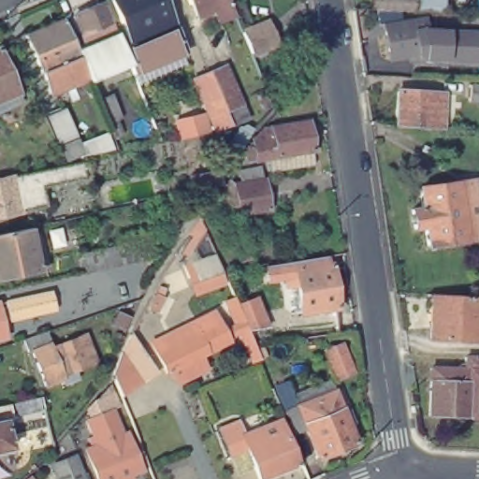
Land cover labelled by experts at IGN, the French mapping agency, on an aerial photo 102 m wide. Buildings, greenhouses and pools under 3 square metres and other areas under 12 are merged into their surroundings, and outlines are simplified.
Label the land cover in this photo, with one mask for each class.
<instances>
[{"label":"building","instance_id":"1","mask_svg":"<svg viewBox=\"0 0 479 479\"><path fill-rule=\"evenodd\" d=\"M62 21L54 22L34 34H28L24 39L36 60L39 75L43 80L47 84V94L69 99L71 90H79L80 86L88 84L92 80L97 82L107 80L120 75L123 71H131L137 82V92L138 97H144L142 84L165 77L178 69L193 71V47L185 45L186 36L171 0H64ZM183 11L193 32L202 26L210 19L225 22H239L234 0H185ZM374 6L376 11H380V24H385L389 32V62H410L415 67H479V30L430 28V17L434 13L440 15L447 7L445 0H376ZM243 41L249 52L256 58H264L279 49V36L271 21L254 24L245 28L243 32ZM26 107L21 75L0 43V118L7 116L9 110ZM200 99L204 114L183 120L180 118L174 123L180 131L181 138L200 137L208 135L219 129L234 127L237 130L229 148L232 152L245 153V159L238 176H226L230 181L228 204L232 208L251 206L254 215L273 213L275 204L271 185L279 187L284 180H288L284 170L314 165V150L318 148L316 125L314 122L284 123L266 129L264 118L254 122V109L247 110L245 107L236 80L228 67H221L215 73H208L195 79ZM473 105H479V84H473V97L470 101ZM397 123L406 129H436V133L440 135L455 118L451 116L449 88H447L443 92L404 88L397 94L395 114ZM114 129L127 131L131 127L129 123L122 122V110L116 97H109L105 103ZM56 137L64 142L67 159L97 155L114 150V142L110 135H105L86 142L80 140L71 114L65 110L51 116ZM86 176V167H67L30 176L0 178V223L32 213V208L47 204L49 200L45 195V187L49 183ZM423 206L417 210H410V225L415 232L425 234L428 249L443 251L466 245L479 243V180L473 178L432 185L423 187L421 193ZM206 234V225L202 219H193L185 223L170 254L198 258L195 264H185L189 271L187 290L193 298L210 294L219 288H226L230 292V299L223 301V305L215 311L208 312L200 318L193 314L159 331L152 342L153 352L159 357L165 374L170 378H176L183 385L193 382L196 378H202L213 376L208 359L217 356L228 346L234 350L236 356L245 357L249 354L253 363L264 361L268 354L266 348H260L254 341V331H279L275 327V322L268 320L266 311L262 299H239L234 284L226 279L225 271L217 256L200 258L196 253L200 241ZM54 271L52 264H45L36 228L0 236V284L47 275ZM52 249H64V232H51ZM142 241H127L105 251L84 253L77 262L79 266L86 268V273L118 268L127 262L144 264V260L142 254L138 253ZM266 284L281 286L286 284L294 290L292 303L296 314L303 312L309 324L327 322L329 312L339 314V307L344 303V284L341 269L327 256L271 266L264 275V281ZM170 294L168 284L167 288L157 290V301L161 305L167 301ZM58 311L56 296L52 292H47L28 298L0 301V342L9 341L11 337L7 327L9 324L37 316H47ZM423 298L427 301L428 314H432V341L477 342L479 346V298L466 296L427 294ZM133 316L123 312H114L110 329H122L127 333ZM22 350L26 352V356L34 357L37 380L47 389L58 385L77 384L80 382L82 370L94 369L97 365V354L88 335H82L75 341L64 344H52L51 339L49 333H43L34 339H26L22 342ZM157 367L144 352L137 337H127L118 357L112 370L114 385L101 399L95 400L88 408V414L86 428L90 432V447L84 451V455L94 472L95 479H155L152 466L144 464L142 458L148 451L144 434L138 430L135 421L138 417L129 397L142 382H152ZM333 348H329L327 352L331 367L329 372L339 376L342 382H344L356 376V367L348 354L350 341L335 339L331 342ZM458 359L464 361L462 367L434 365L432 369H428L427 410L428 419H436L438 423L442 419H455L473 421V427L479 425V357L462 354ZM277 393L275 399L281 402L283 417L279 421L269 423L266 427L247 432L241 425V419L239 414H228L217 419L213 424V434L221 447V453L230 464L234 458L241 457V453L249 455L256 479H284V472L296 470L303 464L301 449L296 442L299 432L309 436L312 455L326 468L331 458L344 457L352 451L361 449V438L354 417L350 414V408L339 391V385H333L331 380H327L318 389L307 387L299 393L294 391L290 382L284 380L273 389ZM47 412L45 399H30L0 406V460H4L6 464L13 455L21 457L19 440L22 436L13 425L19 423L26 414ZM51 473L47 479H88L80 466L79 458H67L49 466Z\"/></svg>","mask_w":479,"mask_h":479},{"label":"herbaceous vegetation","instance_id":"2","mask_svg":"<svg viewBox=\"0 0 479 479\"><path fill-rule=\"evenodd\" d=\"M64 0H37L36 6L28 7L21 13V21L28 34H34L54 22L62 21ZM239 22H225V34L223 39L228 41L230 47V54L226 58L228 67L236 80L245 107L247 110L254 109V122L264 118L266 129L284 123L314 122L316 125L318 148L314 150V165L284 170L288 180H284L279 187L271 185L275 204L283 202L284 196H290L294 200V223L305 217L307 223L320 225L324 228V234H331L327 215L322 213L327 208V200L320 193L331 189V165L327 153V140H324L327 110L322 109L318 86H314L311 94L307 95L305 105L299 109L298 114L277 116L271 107V101L264 97L268 92L273 71L266 65L264 58H256L249 52L243 41V32L245 28L254 24L271 21L269 13L281 17L288 11H294V4L298 0H234ZM430 28L479 30V24H464L458 21L434 13L430 17ZM116 88H122L127 99L129 95L137 92V82L131 71H123L120 75L107 80ZM92 88L88 84L80 86L79 90H71L69 99L65 103V110L71 114L80 140L86 142L105 135L103 129L97 125L90 97ZM372 112L374 109H382L389 116L395 114L397 94L382 88V92L369 94ZM460 109L457 110L455 118L440 135L436 133V129H406L397 123L385 125L374 122L370 127L380 131L376 142L380 144L378 159L385 187V213L389 219L387 241L393 268V286L397 288V301H408L410 296L423 298L427 294L466 296L472 290L468 284L475 281V271L466 268L464 264V251L468 249L466 245L443 251L428 249L425 234L415 232L410 225V210H417L423 206L421 193L415 189L408 195V191L397 180L395 170L391 168V161L400 159L402 153L414 152L415 146H419L421 142L425 144L423 153L430 152V148L457 152V167L447 172H440L436 168L430 155L419 161V167L425 170L432 185L473 178L479 180V105H473L470 101L464 95H458ZM148 112L152 114V118L157 122L161 118H168L174 123L180 118L183 120L204 114L200 99L193 105L180 103L165 114L157 107L152 97H146ZM26 107L9 110L7 116L0 118V170L17 167L19 159L24 155H43L47 152L49 142L56 137L51 116H49L36 127L32 123L24 122ZM123 137L131 138L133 135L131 127L127 131L114 129L110 135L114 142V150L97 155L101 157V165L94 170L88 165L86 167V176L49 183L45 187V195L49 200L47 204L32 208V213L0 223V236L36 228L45 264H52L54 271L79 266L77 262L84 253L80 251L77 243V232H64V249H52L51 232L45 225L43 215L56 217L65 213L90 210L92 206H101V191L90 195L80 191V185L90 183L94 180L95 174H101L105 178V183L118 181L120 185H123L135 183L133 178H123V172L131 170L133 163L123 157L122 140ZM237 130L234 127L219 129L208 135L211 140L225 142L229 148ZM146 161L150 163V174L146 180L163 189L174 187L183 176H193L196 168L202 167L200 137L181 138L178 142H159L155 144L153 152H144ZM225 271L228 268L245 269V262L223 254L217 256ZM239 288L243 298L239 299H262L266 311L283 307L281 286L266 284L264 281L256 284L253 290L249 288V283L241 284ZM230 299V292L226 288H219L210 294L193 298L189 301V309L193 314L200 318L208 312L215 311L223 305V301ZM127 305L120 301L109 305L107 309L82 314L77 318V322L60 327L58 335L51 339L52 344H64L75 341L82 335H88L97 354L101 352V346L97 341L105 335H110L112 352L109 356L118 357L127 337V333L122 329H110L114 312H123ZM26 339L22 335L11 337L9 341L0 342V406L30 399H45L47 412L26 414L19 423L13 425L22 436L34 428L51 427V445L52 451L56 453H60L62 445L60 428L73 421L79 412L88 414V408L95 400L101 399L114 385L112 370L110 367L97 365L94 369L82 370L80 382L77 384L58 385L47 389L37 380L34 357L26 356V352L22 350V342ZM307 361L296 348L290 346H275V350L268 354L264 361L253 363L245 372L232 378H225L221 382H217V378L213 376L202 378L204 385H213V397H210L208 402L217 419L228 414H239L241 419L256 414H264L266 417L273 415V410L269 406H264L256 412V402L262 399H275L277 393L273 389L284 380L299 374L303 369V363ZM406 365L414 363L415 382L412 397L417 412L419 408L427 410L428 369H432L434 365L462 367L464 361L458 359H445L432 352L408 348V354L402 361ZM339 391L350 408V414L354 417L361 438L365 434V428L361 425L356 404L344 382H342L339 385ZM181 404L195 419L200 443L204 445L206 455L210 457L217 479H234V468L230 464L221 453V447L213 434V424L206 416L204 400L198 399L196 395L191 397L183 389L180 393ZM135 421L138 430L144 434L148 451L150 457H157L174 447L185 445L176 415L168 408H157L153 414L138 417ZM453 430L460 438L451 440L443 447L479 451V425L473 427V421L455 419ZM36 464L30 460L18 473L4 479H36ZM174 479H198L196 470L189 468L183 460L170 464Z\"/></svg>","mask_w":479,"mask_h":479},{"label":"impervious surface","instance_id":"3","mask_svg":"<svg viewBox=\"0 0 479 479\"><path fill-rule=\"evenodd\" d=\"M37 0H0V30L13 28V36L24 39L28 34L21 21V13L28 7L36 6ZM186 36L185 45L193 47V71L195 79L208 73H215L221 67H228L226 58L230 54V47L228 41L223 39L225 34L217 32L215 36L210 37L202 26L193 32L183 11L185 0H171ZM305 11L309 15L312 34L331 51V60H327L326 71L322 73L318 86L322 109L327 110L324 140H327V153L331 165V189L337 196L344 241V251L339 253L327 256L341 269L344 284V303L339 307V314L329 312L327 322L309 324L303 312L296 314L292 303L294 290L286 284L281 286L283 307L266 311L268 320L275 322V327L279 331H305L326 329L339 327L341 331L359 333L365 359V382L369 399L365 402L372 415L374 428L372 449L356 470L327 472L326 468L312 455L309 436L299 432L296 442L301 449L303 464L296 470L284 472V479H479V458L427 455L415 445L412 438V430L417 428V412L412 397L415 382L414 363L406 365L402 361L395 346L393 312L389 301L393 286V268L387 241L389 219L385 213V187L378 159L380 144L376 142L380 131L370 127L374 122L372 112L369 94L370 86L382 84L385 77L443 73L451 75L453 79L462 75L479 77V67H415L410 62H389V32L385 24H380L367 30L365 21L357 17L352 0H298L294 4V11L296 13ZM36 99L39 101V107L49 116H51L65 110V103L69 99L47 94V84L43 80L36 86ZM99 94L105 103L109 97H116L122 110V122L129 123L131 127L138 120L137 112L127 103V99L122 88H116L107 80L97 82ZM120 185L118 181L105 183L101 191V206H112V202L110 189ZM196 253L200 258L217 256L223 254L217 241H211L210 236L206 234L200 241ZM198 258L170 254L159 271L150 266V260H144V264L127 262L118 268L86 273L54 279L47 283L28 284L22 288L9 290L6 294H0V301L28 298L47 292H52L56 296L58 311L47 316H37L9 324L7 327L11 337L22 335L26 339H34L43 333H49L51 339L58 335L60 327L77 322V318L82 314L107 309L109 305L120 301L127 305L123 312L133 316L127 333V337H137L144 352L157 367L152 382H142L129 397L138 417L153 414L157 408H168L176 415L185 445L191 455L183 460L189 468L196 470L198 479H217L210 457L206 455L204 445L200 443L195 419L181 404L180 393L183 389V385L176 378H170L165 374L159 357L153 352L152 342L159 331L193 314L189 309V301L193 298L187 290L189 271L185 264H195ZM168 284L170 294L167 301L161 305L157 301V290L167 288ZM410 329L406 331L408 335H419L432 341V314H428L427 301L423 298L410 296L408 301ZM88 414L79 412L73 421L60 428L62 445L60 453H56L58 462L67 458H79L80 466L88 479H95L94 472L84 455V451L90 447V432L86 428ZM241 425L247 432L266 427L269 423L268 419L258 421L256 414L241 419ZM51 445V427L34 428L22 436L19 440L21 457L13 455L6 464L4 460H0V479H4L18 473L30 460L32 451L45 449ZM234 468V479H256L249 455L241 453V457L234 458L230 464Z\"/></svg>","mask_w":479,"mask_h":479},{"label":"deciduous trees","instance_id":"4","mask_svg":"<svg viewBox=\"0 0 479 479\"><path fill-rule=\"evenodd\" d=\"M357 17L365 21L367 30L380 24V11H376L374 6L376 0H352ZM462 13L458 21L464 24H479V0H466L460 6ZM279 49L264 58L266 65L273 71L268 92L264 97L271 101V107L277 116L298 114L299 109L305 105L307 95L311 94L314 86H318L322 73L326 71L327 60H331V51L312 34L309 15L305 11L296 13L288 28L279 36ZM202 26L210 37L215 36L217 32L225 34V22L210 19ZM0 43L21 75L26 107L24 122L32 123L36 127L49 116L39 107V101L36 99V86L43 80L39 75L36 60L24 39L13 36V28L0 30ZM144 97H138L137 92L129 95L127 99V103L137 112L138 120L152 118V114L148 112L146 97H152L157 107L165 114L180 103L193 105L200 99L193 71L178 69L165 77L142 84ZM181 138L180 131L174 123L168 118H161L157 122V129H153L148 137L133 135L131 138L123 137L122 140L123 157L133 163L131 170L123 172V178H133L135 183L123 185L127 189V195L123 196L122 200L112 202V206H92L90 210L65 213L56 217L43 215L45 225L51 232H77V243L80 251L84 253L105 251L127 241H142L138 253L142 254L144 260H150V266L159 271L170 254L185 223L193 219H202L206 225V234L210 236L211 241H217L223 254L245 262V269L228 268L225 271L226 279L234 284L239 299L243 298L239 288L241 284L249 283V288L253 290L256 284L264 281V275L271 266L327 256L339 253L331 251V234H324V228L320 225L307 223L305 217L294 223V200L290 196H284L283 202L275 204L273 213L254 215L251 206L232 208L228 204L230 181L226 176H238L245 159V153L232 152L229 148L225 142L211 140L208 135L200 137L202 167L196 168L193 176H183L174 187L163 189L146 180L150 174V163L146 161L144 152H153L155 144L159 142H178ZM67 167V159L64 142L56 137L49 142L47 152L43 155H24L19 159L17 167L0 170V178L30 176ZM425 144L421 142L419 146H415L414 152L402 153L400 159L391 161V168L395 170L397 180L408 191V195L415 189L421 193L423 187L432 185L425 170L419 167V161L430 155L436 168L440 172H447L457 167V152L430 148V152L423 153ZM105 183V178L101 174H95L94 180L90 183L80 185V191L90 195L101 191ZM468 249L464 251V264L466 268L475 271V281L468 284L472 290L466 296L479 298V243L466 245ZM326 329L305 331L303 337H296L294 344L290 346L296 348L307 361L303 363V369L299 374L284 380L290 382L294 391L299 393L307 387L318 389L327 380H331L333 385H339L342 382L339 376L329 372L331 367L327 352L329 348H333L331 342L326 339ZM101 346V352L97 354V365L110 367L112 370L118 357L109 356L112 352L110 335H105L97 341ZM213 376L217 378V382H221L225 378H232L245 372L253 363L249 354L245 357L236 356L234 350L228 346L217 356L208 359ZM417 428L425 440L436 447H443L451 440L460 438L453 430L455 419H442L438 423L436 419H428L427 410L419 408L417 412ZM30 460L36 464V479H47L51 473L49 466L58 462L56 453L52 451L51 445L45 449L32 451Z\"/></svg>","mask_w":479,"mask_h":479},{"label":"brushwood","instance_id":"5","mask_svg":"<svg viewBox=\"0 0 479 479\"><path fill-rule=\"evenodd\" d=\"M447 7L440 15L458 21L462 13L460 6L466 0H445ZM414 80L442 82L447 88H449V84H479V77L462 75L453 79L451 75L443 73L414 75ZM92 88L90 97L97 125L103 129L105 135H110L114 129L105 103L99 94L97 82L92 80L88 84ZM374 122L385 125L397 123L395 114L389 116L382 109H374L372 112ZM86 167L88 165L94 170L101 165V157L97 155L67 159V167ZM327 200V208L322 213L327 215L331 234V251L339 253L344 251V241L337 196L331 189L320 193ZM86 273V268L79 266L54 271L47 275L0 284V294H6L9 290L22 288L28 284L47 283L54 279ZM400 326L406 331L410 329L408 301H397ZM326 339L331 342L335 339L350 341L348 354L356 367V376L344 382L356 404L361 425L365 428V434L361 438V449L352 451L344 457L331 458L326 468L327 472L356 470L372 449L374 428L372 415L365 402L369 399L365 382V359L359 333L341 331L339 327L326 329ZM305 331H254V341L260 348H266L268 354L275 350V346H290L294 344L296 337H303ZM183 389L191 397L196 395L198 399L204 400L206 416L213 424L217 419L208 402L210 397H213V385H204L202 378H196L193 382L183 385ZM264 406H269L273 410V415L266 417L264 414H256L258 421L268 419L269 423L279 421L283 417L281 402L275 399H262L256 402V412ZM191 455L185 445L174 447L157 457H150L148 451L142 458L144 464L152 466L155 479H174L170 464L183 460Z\"/></svg>","mask_w":479,"mask_h":479},{"label":"pervious surface","instance_id":"6","mask_svg":"<svg viewBox=\"0 0 479 479\"><path fill-rule=\"evenodd\" d=\"M271 21L279 36L288 28L296 13L294 11H288L281 17L269 13ZM382 88L397 94L404 88L443 92L447 88L442 82L414 80V75L385 77L382 84L370 86L369 94L382 92ZM451 116L455 118L457 110L460 109L458 95H464L470 101L473 97V84H449V88ZM389 301L393 312L395 346L402 361L408 354V348L432 352L445 359H458L462 354L479 357V346L477 342L432 341L419 335H408L406 331L400 326L397 301V288L393 286ZM412 438L415 445L427 455L479 458V451L443 447H436L425 440L417 428L412 430Z\"/></svg>","mask_w":479,"mask_h":479},{"label":"swimming pool","instance_id":"7","mask_svg":"<svg viewBox=\"0 0 479 479\"><path fill-rule=\"evenodd\" d=\"M133 135L148 137L153 129H157V122L152 118L138 120L131 127ZM127 195V189L123 185H120L110 189L112 202L122 200L123 196Z\"/></svg>","mask_w":479,"mask_h":479}]
</instances>
